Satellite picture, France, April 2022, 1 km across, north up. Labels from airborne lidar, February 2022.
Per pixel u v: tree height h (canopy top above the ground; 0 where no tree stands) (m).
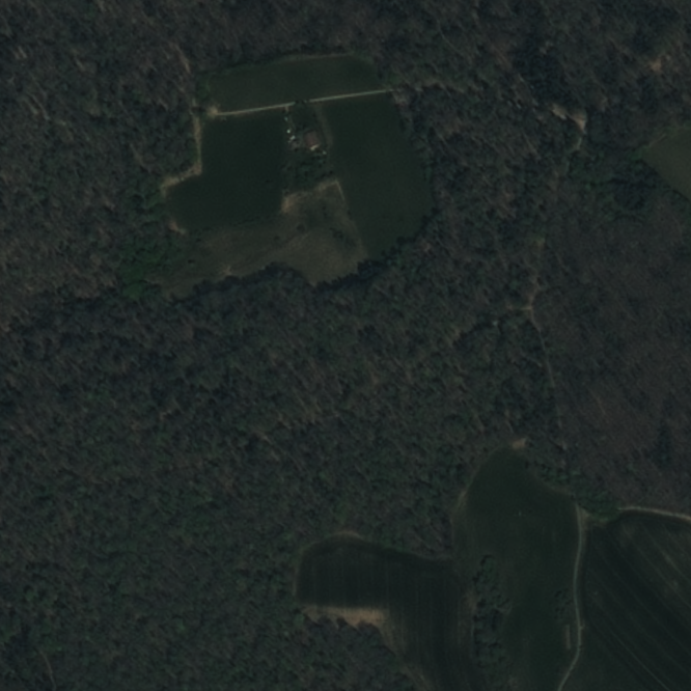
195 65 25
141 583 30
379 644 27
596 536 0
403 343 28
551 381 22
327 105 0
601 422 23
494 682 6
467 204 30
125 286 25
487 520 0
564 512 0
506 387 24
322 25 25
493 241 30
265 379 27
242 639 30
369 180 0
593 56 26
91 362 31
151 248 22
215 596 28
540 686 0
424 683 0
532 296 24
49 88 28
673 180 0
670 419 22
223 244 0
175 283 0
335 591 0
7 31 27
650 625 0
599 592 0
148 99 18
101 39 28
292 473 28
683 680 0
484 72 27
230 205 0
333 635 29
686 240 24
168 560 32
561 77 22
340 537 0
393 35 24
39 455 31
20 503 30
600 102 14
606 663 0
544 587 0
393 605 0
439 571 0
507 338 29
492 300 25
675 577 0
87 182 26
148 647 29
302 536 29
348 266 0
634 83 21
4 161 29
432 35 26
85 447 29
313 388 30
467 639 0
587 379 24
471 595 0
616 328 23
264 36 27
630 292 23
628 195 25
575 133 28
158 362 14
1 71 17
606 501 26
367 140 0
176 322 31
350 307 30
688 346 22
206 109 19
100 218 29
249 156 0
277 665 31
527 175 24
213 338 11
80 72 28
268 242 0
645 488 23
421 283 29
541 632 0
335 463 24
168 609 31
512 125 22
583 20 28
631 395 22
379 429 25
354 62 0
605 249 24
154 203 29
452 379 26
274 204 0
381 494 30
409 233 0
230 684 29
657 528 0
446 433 30
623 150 23
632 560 0
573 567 0
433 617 0
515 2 10
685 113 27
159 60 26
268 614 31
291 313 29
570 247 22
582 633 0
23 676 9
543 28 24
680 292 25
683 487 23
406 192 0
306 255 0
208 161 0
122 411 32
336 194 0
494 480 0
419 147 27
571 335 24
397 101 24
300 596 0
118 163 29
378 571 0
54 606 27
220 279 0
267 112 0
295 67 0
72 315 12
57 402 30
